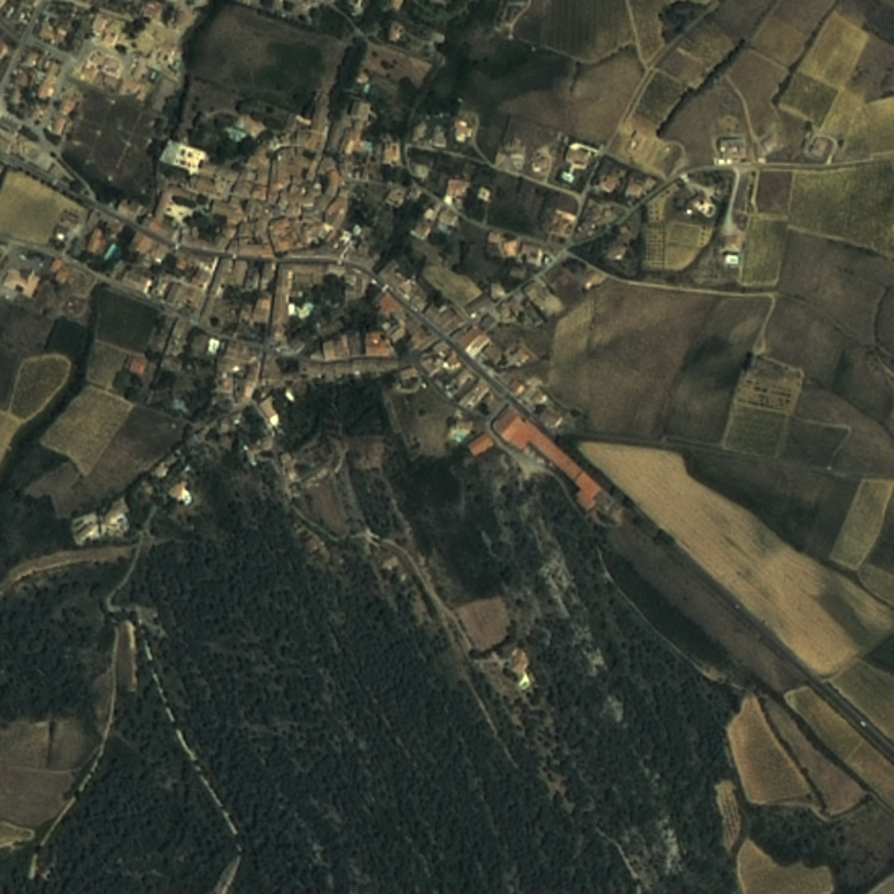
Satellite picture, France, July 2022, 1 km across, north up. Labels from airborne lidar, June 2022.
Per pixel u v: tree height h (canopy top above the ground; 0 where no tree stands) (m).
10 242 0
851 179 0
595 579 10
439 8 6
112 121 0
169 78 0
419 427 0
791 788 0
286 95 0
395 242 5
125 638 0
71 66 0
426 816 16
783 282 0
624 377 0
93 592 9
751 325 0
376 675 12
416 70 0
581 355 0
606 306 0
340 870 11
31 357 0
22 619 10
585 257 9
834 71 0
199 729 9
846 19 0
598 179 6
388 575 13
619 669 13
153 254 0
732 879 7
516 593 0
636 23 0
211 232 7
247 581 12
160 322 9
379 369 0
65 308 0
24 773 0
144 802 13
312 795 10
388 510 8
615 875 14
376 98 9
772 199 0
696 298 0
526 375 0
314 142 0
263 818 15
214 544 10
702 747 12
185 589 12
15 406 0
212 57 0
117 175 0
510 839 14
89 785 8
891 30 0
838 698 0
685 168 0
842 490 0
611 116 0
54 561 0
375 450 0
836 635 0
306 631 11
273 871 12
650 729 13
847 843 11
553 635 6
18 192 0
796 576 0
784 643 0
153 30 0
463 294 0
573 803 10
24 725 0
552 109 0
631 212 0
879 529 0
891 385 0
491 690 11
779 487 0
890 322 0
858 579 0
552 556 0
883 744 0
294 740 12
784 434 0
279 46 0
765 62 0
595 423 0
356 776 13
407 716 8
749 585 0
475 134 0
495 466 0
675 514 0
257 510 9
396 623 12
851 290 0
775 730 8
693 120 0
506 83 0
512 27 0
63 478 0
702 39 0
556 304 0
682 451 0
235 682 13
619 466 0
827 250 0
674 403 0
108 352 0
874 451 0
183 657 10
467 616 0
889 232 0
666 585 0
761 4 0
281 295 0
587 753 10
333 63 0
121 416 0
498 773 9
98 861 9
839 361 0
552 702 11
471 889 19
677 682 11
